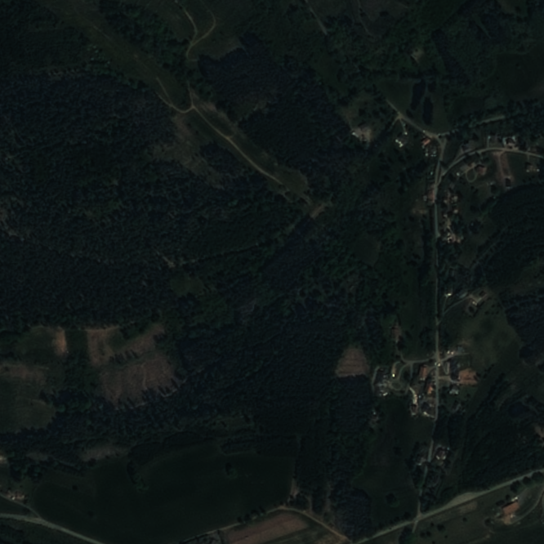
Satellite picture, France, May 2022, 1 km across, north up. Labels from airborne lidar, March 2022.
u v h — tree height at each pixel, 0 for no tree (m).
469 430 7
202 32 0
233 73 35
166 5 0
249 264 17
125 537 0
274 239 6
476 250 0
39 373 0
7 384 0
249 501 0
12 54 7
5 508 0
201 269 19
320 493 14
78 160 18
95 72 17
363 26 10
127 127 10
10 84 21
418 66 15
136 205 32
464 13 28
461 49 19
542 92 0
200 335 22
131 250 30
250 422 23
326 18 0
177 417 29
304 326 25
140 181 15
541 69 0
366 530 28
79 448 14
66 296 33
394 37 7
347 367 0
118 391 0
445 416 13
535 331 26
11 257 23
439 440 11
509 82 0
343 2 0
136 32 12
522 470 11
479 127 18
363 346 12
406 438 0
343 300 11
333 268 18
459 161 0
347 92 0
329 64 0
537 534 0
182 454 0
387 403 0
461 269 12
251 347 10
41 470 16
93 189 29
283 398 18
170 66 17
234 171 31
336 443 16
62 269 28
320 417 12
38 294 31
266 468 0
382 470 0
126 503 0
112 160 19
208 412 36
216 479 0
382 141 21
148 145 24
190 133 0
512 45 23
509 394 0
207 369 42
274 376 18
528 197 16
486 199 0
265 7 20
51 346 0
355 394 27
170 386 0
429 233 20
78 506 0
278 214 14
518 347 0
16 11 10
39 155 18
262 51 34
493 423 6
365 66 15
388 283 15
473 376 0
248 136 16
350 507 32
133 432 9
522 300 14
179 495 0
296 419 17
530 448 12
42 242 28
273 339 13
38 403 0
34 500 0
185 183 23
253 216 14
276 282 34
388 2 0
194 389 9
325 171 25
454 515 0
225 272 7
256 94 33
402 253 11
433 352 0
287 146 16
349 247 7
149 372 0
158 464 0
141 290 34
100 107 27
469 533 0
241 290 35
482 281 19
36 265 31
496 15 11
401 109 0
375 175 0
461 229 12
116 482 0
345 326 24
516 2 0
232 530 0
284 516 0
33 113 23
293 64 16
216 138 0
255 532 0
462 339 0
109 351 0
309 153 14
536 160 0
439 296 6
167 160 0
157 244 29
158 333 0
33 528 0
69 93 26
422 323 0
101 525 0
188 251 9
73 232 29
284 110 17
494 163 0
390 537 0
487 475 13
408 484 0
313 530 0
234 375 15
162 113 20
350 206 14
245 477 0
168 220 32
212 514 0
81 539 0
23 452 17
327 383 19
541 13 22
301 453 12
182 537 0
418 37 20
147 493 0
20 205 16
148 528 0
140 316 31
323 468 8
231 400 13
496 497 0
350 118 0
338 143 26
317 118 27
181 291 0
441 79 21
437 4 12
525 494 0
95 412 40
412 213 0
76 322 32
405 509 0
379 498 0
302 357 17
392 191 0
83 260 30
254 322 17
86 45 11
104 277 29
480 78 12
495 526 0
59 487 0
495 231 0
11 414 0
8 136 29
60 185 16
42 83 22
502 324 0
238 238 13
